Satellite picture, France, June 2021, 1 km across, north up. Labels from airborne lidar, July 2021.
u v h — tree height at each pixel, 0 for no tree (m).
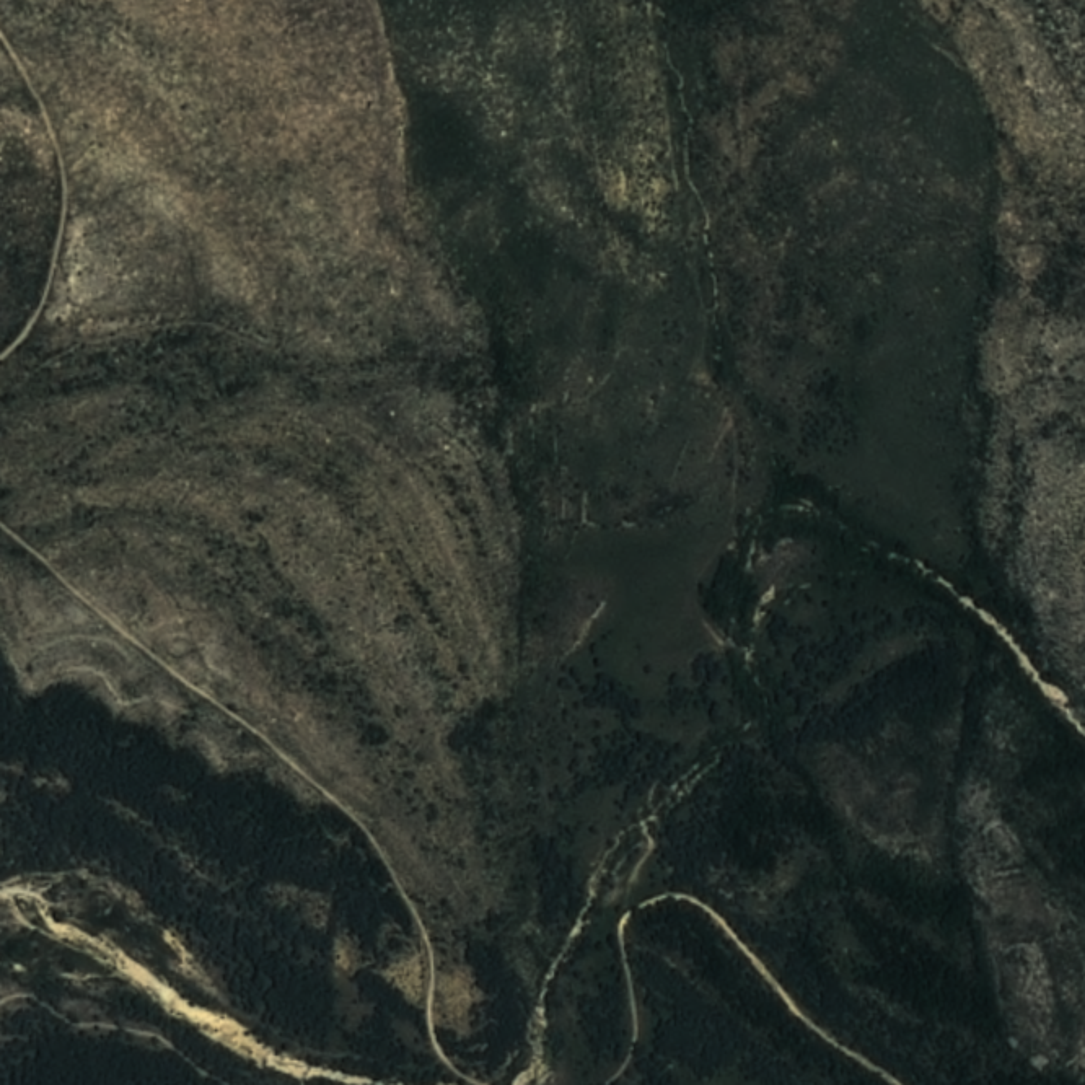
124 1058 15
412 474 0
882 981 10
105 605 0
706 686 9
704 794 8
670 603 0
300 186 0
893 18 0
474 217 0
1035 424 0
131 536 0
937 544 0
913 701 7
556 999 8
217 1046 8
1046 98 0
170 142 0
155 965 0
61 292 0
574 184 0
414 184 0
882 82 0
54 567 0
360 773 0
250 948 13
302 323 0
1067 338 0
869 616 8
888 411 0
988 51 0
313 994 13
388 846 0
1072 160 0
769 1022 7
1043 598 0
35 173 0
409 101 0
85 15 0
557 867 15
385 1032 9
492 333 8
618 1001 8
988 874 0
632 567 0
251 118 0
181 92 0
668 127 0
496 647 0
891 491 0
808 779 7
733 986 9
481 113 0
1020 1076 7
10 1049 8
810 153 0
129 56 0
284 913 7
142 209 0
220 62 0
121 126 0
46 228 0
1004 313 0
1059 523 0
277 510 0
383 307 0
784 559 0
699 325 0
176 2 0
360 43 0
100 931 0
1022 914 0
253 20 0
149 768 9
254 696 0
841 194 0
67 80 0
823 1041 6
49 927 0
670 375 0
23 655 0
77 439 0
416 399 0
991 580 7
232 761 0
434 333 0
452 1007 0
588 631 0
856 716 11
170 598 0
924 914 8
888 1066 8
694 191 0
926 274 0
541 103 0
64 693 8
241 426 0
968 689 7
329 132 0
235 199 0
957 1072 7
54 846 9
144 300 0
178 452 0
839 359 0
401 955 0
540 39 0
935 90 0
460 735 6
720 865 7
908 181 0
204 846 9
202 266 0
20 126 0
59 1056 13
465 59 0
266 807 9
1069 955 0
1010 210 0
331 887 10
